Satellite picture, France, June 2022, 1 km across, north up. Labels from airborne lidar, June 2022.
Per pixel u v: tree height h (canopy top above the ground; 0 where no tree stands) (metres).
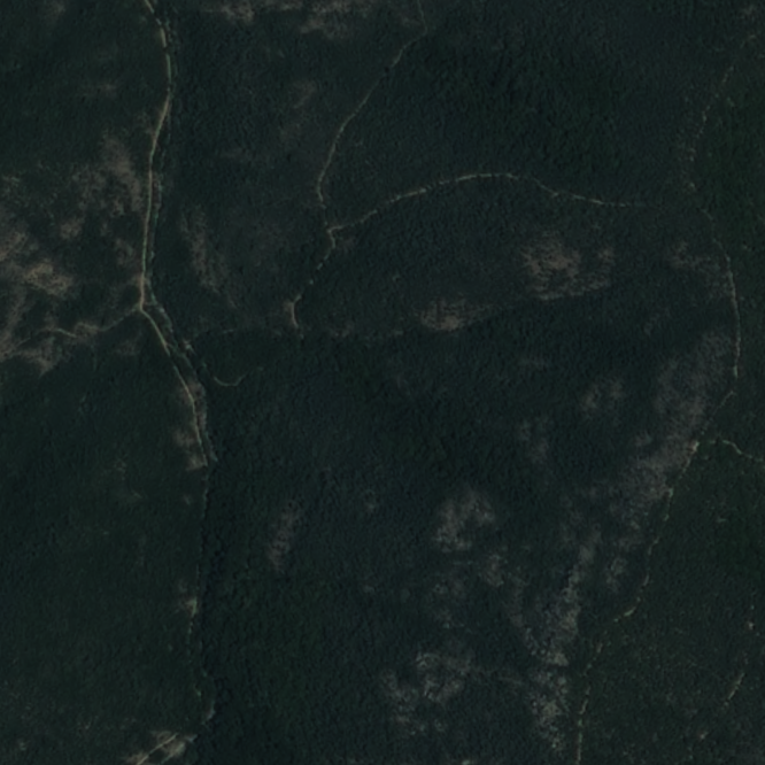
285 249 9
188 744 6
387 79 10
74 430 8
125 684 14
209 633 15
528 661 6
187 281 6
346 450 6
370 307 9
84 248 12
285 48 6
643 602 7
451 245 9
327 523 9
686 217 9
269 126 9
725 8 9
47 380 7
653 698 9
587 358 10
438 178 7
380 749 10
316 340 7
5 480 7
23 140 6
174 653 6
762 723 8
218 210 6
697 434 6
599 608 8
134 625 6
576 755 6
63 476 8
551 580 6
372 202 8
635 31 11
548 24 9
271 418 14
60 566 8
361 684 12
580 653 7
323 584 16
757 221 14
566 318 8
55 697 6
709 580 13
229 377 10
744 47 7
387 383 8
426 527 7
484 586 6
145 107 12
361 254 8
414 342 9
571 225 7
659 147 10
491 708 8
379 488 8
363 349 6
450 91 7
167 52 8
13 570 12
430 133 9
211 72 9
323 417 11
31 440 7
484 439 13
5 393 6
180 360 11
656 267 8
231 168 8
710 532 12
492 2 6
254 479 11
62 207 8
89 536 7
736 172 13
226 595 17
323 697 13
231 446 20
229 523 13
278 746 12
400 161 7
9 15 11
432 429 14
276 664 14
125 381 7
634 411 7
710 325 6
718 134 12
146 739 7
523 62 9
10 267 0
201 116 10
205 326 9
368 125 6
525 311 6
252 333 7
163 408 7
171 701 15
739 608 13
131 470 5
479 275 8
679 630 7
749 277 6
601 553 7
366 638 12
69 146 10
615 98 12
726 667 10
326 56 8
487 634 8
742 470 12
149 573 12
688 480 9
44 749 6
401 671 6
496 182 9
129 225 11
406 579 6
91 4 6
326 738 10
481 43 8
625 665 9
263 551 8
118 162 0
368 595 7
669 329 6
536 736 6
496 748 7
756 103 11
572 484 6
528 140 13
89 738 10
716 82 7
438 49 11
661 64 10
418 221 7
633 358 7
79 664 12
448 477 11
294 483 6
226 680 15
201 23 6
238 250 6
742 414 7
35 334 11
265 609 12
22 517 16
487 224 10
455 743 9
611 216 10
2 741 8
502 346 6
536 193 9
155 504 9
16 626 9
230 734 16
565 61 11
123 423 6
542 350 6
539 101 7
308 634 13
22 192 7
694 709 12
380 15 7
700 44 8
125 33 6
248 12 0
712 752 11
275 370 9
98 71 6
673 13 13
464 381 6
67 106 10
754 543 10
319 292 8
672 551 10
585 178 10
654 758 6
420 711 7
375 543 7
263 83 6
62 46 7
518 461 12
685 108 8
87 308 9
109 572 7
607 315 8
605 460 10
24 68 10
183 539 6
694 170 7
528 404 10
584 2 9
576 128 15
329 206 7
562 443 9
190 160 12
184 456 9
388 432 14
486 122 12
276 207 8
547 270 7
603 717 9
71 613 7
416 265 11
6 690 8
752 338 10
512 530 7
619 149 9
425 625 7
